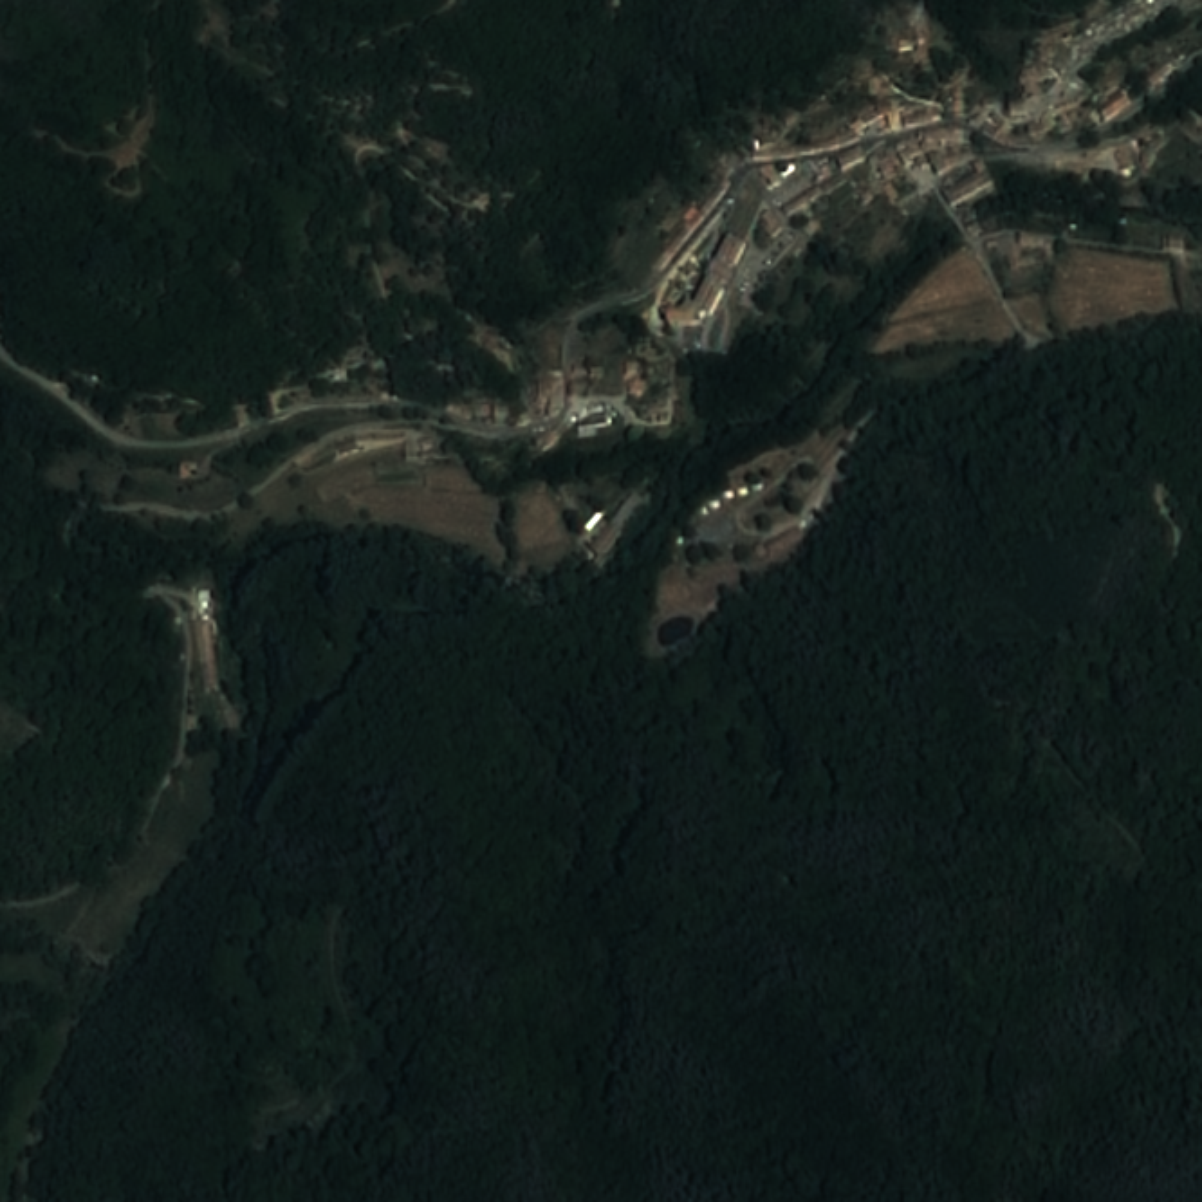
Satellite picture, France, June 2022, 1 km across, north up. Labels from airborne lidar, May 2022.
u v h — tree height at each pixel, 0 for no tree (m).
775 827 21
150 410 17
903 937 19
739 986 21
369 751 16
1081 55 0
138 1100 21
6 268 15
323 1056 9
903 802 20
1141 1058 18
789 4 9
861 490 21
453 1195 18
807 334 11
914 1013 16
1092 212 23
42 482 9
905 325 0
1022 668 15
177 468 7
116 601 13
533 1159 20
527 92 12
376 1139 15
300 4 13
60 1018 21
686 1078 17
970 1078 18
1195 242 7
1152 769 16
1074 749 26
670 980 19
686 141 9
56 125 12
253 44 13
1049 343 14
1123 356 15
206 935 26
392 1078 6
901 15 0
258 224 8
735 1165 20
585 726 28
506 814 17
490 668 19
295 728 8
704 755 17
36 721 16
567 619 21
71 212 18
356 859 17
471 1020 17
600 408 0
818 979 22
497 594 22
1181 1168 21
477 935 23
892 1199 13
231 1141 17
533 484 0
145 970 25
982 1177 16
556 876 25
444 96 6
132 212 9
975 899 11
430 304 12
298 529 25
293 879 18
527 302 11
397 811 18
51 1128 20
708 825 18
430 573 24
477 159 11
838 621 12
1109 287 0
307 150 7
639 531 18
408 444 0
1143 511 13
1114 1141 20
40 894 7
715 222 0
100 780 14
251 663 20
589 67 11
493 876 18
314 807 25
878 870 21
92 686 18
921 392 14
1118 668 17
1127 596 9
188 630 0
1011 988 11
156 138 9
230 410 9
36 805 8
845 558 12
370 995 13
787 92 18
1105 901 10
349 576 40
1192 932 19
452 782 18
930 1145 13
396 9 10
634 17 14
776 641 16
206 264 14
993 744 14
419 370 13
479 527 0
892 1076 20
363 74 17
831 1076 15
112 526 11
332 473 0
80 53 7
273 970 16
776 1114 20
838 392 13
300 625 12
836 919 15
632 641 22
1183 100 26
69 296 12
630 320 13
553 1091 17
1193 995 16
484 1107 14
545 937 24
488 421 6
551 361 0
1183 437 15
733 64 13
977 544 9
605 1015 14
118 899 0
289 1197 17
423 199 11
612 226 23
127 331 16
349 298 11
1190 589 18
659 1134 21
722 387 24
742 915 13
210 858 23
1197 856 22
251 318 12
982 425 19
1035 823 11
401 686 17
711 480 15
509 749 21
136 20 10
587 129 22
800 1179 20
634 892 25
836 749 20
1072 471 15
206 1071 20
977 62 6
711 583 0
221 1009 18
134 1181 16
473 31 7
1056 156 0
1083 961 10
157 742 17
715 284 0
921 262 12
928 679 22
